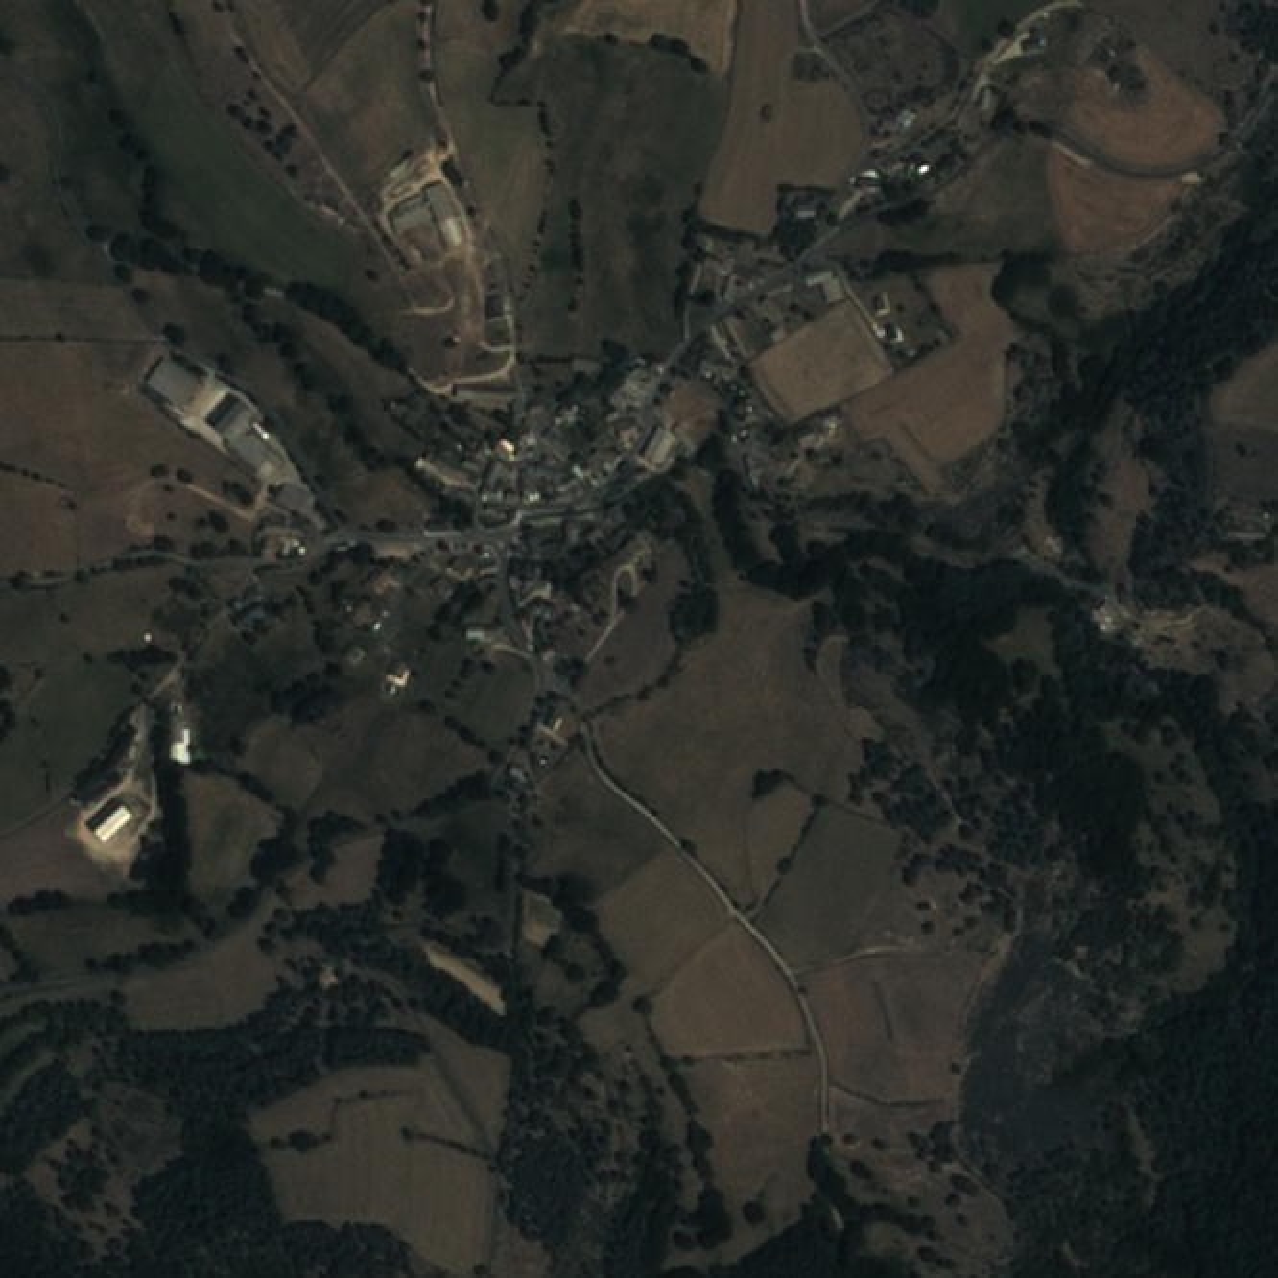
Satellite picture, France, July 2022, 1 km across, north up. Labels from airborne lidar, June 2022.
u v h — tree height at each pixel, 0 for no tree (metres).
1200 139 0
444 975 12
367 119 0
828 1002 0
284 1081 11
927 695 13
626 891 0
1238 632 0
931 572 20
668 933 0
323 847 12
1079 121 0
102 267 0
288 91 0
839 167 0
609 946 13
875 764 13
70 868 0
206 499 0
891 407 0
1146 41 0
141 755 0
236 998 0
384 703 0
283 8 0
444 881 15
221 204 0
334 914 11
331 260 0
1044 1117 0
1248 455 16
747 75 0
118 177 0
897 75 6
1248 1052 18
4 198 0
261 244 0
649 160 0
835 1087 0
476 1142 0
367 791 0
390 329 0
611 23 0
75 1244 8
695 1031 0
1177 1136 9
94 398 0
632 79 0
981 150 0
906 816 15
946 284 0
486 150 0
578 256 10
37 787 0
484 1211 0
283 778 0
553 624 5
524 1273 0
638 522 8
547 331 0
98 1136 13
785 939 0
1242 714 10
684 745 0
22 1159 10
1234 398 0
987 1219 0
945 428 0
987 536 9
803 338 0
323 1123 0
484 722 0
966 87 7
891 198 12
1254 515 0
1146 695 7
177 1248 15
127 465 0
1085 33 0
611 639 0
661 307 0
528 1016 11
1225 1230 12
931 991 0
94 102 0
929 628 12
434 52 0
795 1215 0
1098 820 13
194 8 0
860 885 0
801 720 0
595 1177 6
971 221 0
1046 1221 12
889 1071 0
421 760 0
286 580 0
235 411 0
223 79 0
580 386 13
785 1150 0
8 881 0
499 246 0
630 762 0
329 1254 15
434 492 7
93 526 0
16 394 0
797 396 0
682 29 0
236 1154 12
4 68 0
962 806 18
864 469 0
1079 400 19
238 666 0
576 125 0
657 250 0
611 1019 0
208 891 0
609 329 0
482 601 10
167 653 9
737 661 0
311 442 0
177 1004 0
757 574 17
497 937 14
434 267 0
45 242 0
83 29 0
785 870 9
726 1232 22
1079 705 17
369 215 0
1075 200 0
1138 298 0
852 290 0
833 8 0
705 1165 15
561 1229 17
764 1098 0
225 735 0
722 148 0
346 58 0
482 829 0
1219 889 11
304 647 0
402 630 0
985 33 0
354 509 0
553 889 19
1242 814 10
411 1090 0
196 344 0
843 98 0
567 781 0
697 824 0
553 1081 7
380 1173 0
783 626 0
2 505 0
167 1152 0
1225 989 13
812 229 8
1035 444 10
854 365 0
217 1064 22
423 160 0
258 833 0
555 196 0
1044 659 0
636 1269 23
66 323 0
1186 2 0
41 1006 13
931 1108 0
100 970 18
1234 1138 16
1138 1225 11
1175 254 10
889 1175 0
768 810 0
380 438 0
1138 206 0
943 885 0
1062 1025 0
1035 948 0
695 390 0
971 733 6
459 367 0
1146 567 9
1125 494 0
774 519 11
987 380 0
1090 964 13
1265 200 7
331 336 0
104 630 0
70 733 0
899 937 0
